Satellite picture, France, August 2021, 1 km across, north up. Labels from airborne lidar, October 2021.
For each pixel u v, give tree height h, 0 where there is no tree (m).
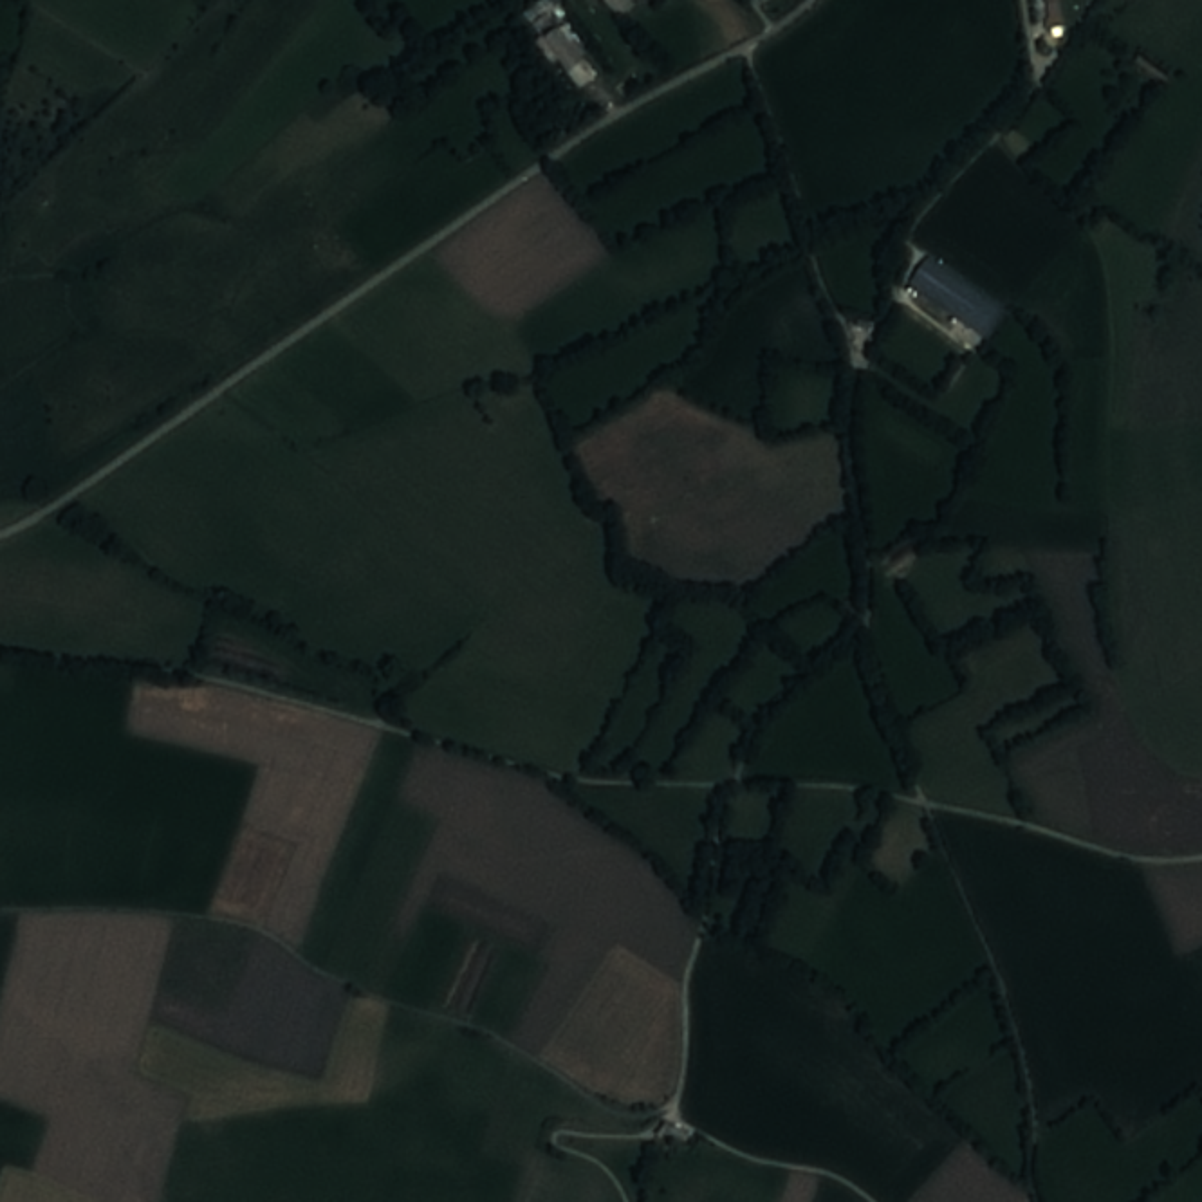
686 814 0
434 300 0
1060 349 15
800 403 0
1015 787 8
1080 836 0
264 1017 0
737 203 20
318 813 0
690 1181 0
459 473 0
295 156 0
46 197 0
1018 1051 12
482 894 0
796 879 22
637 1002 0
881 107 0
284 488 0
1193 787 0
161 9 0
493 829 0
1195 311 0
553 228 0
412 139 0
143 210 0
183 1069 0
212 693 0
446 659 5
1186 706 0
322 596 0
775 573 12
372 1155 0
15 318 0
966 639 19
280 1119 0
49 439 0
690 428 0
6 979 0
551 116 19
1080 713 14
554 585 0
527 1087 0
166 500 0
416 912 0
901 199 21
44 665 16
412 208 0
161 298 0
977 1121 0
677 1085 0
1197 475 0
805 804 0
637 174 14
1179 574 0
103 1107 0
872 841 16
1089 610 0
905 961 0
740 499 0
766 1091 0
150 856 0
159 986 0
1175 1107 10
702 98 0
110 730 0
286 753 0
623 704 10
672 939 0
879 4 0
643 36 21
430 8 0
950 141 0
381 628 0
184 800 0
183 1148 0
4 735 0
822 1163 0
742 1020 0
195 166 0
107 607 0
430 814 0
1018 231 0
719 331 15
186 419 0
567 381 0
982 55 0
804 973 15
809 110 0
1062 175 0
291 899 0
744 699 0
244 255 0
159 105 0
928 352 0
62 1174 0
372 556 0
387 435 0
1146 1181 0
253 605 12
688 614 0
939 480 0
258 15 0
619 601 0
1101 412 0
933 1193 0
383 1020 0
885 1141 0
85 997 0
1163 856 0
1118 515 0
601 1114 0
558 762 0
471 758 13
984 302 0
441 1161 0
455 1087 0
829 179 0
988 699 0
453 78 20
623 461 0
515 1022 0
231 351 0
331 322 0
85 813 0
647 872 0
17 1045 0
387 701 12
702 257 0
